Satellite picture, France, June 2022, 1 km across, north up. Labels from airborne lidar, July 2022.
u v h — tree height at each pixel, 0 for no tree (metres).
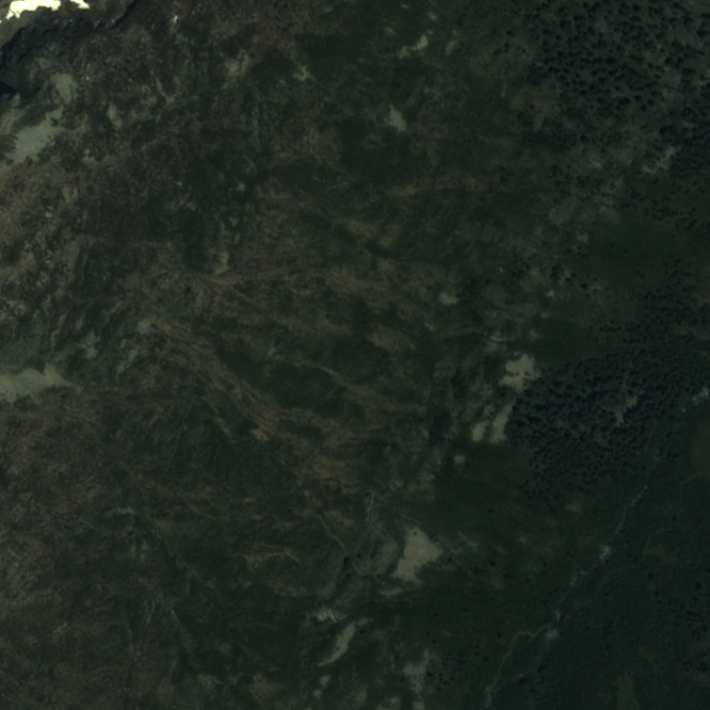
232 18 0
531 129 6
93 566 0
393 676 0
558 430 10
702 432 0
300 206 0
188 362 0
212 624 0
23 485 0
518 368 0
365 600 0
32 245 0
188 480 0
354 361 0
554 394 23
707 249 0
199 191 0
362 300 0
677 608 8
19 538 0
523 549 0
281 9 0
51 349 0
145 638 0
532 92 0
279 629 0
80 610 0
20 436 0
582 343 0
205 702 0
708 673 9
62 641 0
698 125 21
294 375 0
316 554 0
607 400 27
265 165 0
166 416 0
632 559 7
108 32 0
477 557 0
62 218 0
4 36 0
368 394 0
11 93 29
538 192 0
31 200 0
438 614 8
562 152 7
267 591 0
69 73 0
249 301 0
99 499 0
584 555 0
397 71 0
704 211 0
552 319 0
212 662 0
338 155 0
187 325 0
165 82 0
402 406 0
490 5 0
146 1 0
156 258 0
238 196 0
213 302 0
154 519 0
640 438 26
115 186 0
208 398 0
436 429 9
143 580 0
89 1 0
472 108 0
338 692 0
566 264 0
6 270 0
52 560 0
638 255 0
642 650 0
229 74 0
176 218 0
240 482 0
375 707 0
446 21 0
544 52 7
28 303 0
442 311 0
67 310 0
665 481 6
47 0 0
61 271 0
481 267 0
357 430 0
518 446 7
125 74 0
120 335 0
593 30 15
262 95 0
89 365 0
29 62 0
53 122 0
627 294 0
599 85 12
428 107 0
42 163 0
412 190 0
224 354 0
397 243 0
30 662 0
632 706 0
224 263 0
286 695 0
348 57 0
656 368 11
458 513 0
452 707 0
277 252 0
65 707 0
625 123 6
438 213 0
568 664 5
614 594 6
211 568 0
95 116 0
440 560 0
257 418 0
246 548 0
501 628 0
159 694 0
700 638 9
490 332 10
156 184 0
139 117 0
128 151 0
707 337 0
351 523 0
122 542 0
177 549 0
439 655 0
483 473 0
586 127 8
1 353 0
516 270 5
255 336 0
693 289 8
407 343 0
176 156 0
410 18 0
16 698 0
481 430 0
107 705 0
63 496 0
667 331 14
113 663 0
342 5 0
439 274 0
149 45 0
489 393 0
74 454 0
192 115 0
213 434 0
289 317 0
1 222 0
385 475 0
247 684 0
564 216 0
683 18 6
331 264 0
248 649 0
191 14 0
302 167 0
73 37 0
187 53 0
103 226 0
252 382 0
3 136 0
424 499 0
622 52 26
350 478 0
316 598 8
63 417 0
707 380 9
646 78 10
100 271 0
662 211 8
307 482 0
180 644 0
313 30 0
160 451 0
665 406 20
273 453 0
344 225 0
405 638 0
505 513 0
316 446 0
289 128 0
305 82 0
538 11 12
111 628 0
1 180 0
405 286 0
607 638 7
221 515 0
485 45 0
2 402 0
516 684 6
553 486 7
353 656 0
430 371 0
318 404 0
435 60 0
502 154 0
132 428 0
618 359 7
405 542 0
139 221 0
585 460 11
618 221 0
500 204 0
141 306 0
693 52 25
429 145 0
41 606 0
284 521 0
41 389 0
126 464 0
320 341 0
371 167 0
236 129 0
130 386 0
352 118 0
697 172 7
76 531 0
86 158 0
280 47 0
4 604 0
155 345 0
